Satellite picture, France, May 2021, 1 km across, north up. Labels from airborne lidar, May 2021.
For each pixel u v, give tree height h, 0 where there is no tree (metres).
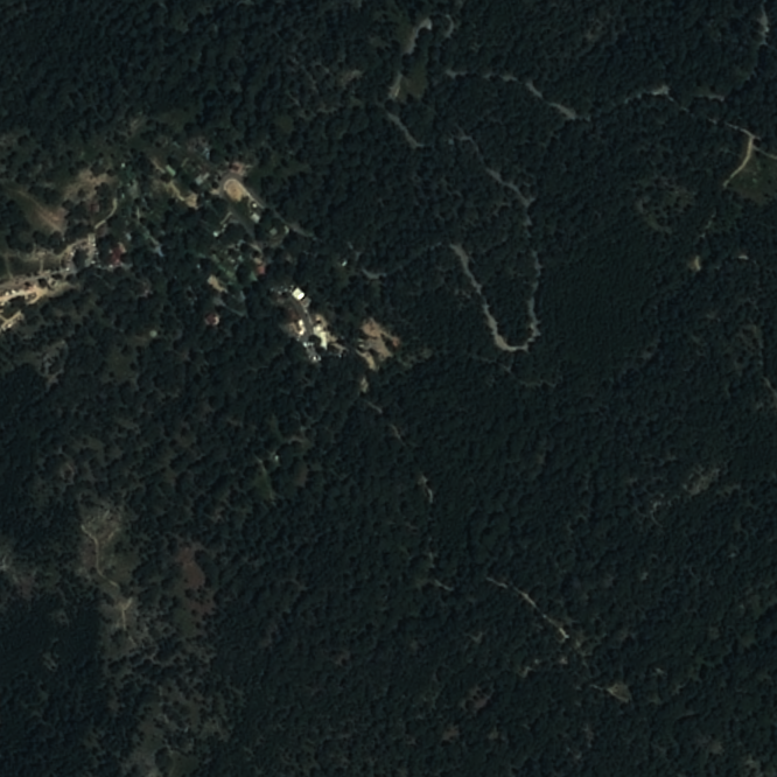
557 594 19
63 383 16
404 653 25
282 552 21
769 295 21
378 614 27
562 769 19
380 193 26
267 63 32
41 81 7
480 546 22
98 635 9
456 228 19
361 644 19
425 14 23
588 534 24
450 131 14
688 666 14
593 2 7
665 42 26
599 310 23
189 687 11
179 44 17
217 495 23
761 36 18
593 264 19
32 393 8
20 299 11
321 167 30
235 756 13
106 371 17
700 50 30
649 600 21
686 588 18
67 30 17
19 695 18
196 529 15
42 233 8
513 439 27
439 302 20
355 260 26
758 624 17
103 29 21
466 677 16
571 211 29
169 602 13
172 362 22
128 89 18
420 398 20
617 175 22
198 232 25
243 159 12
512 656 12
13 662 12
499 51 26
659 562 17
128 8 23
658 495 7
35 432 15
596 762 21
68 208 9
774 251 21
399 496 24
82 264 17
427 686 15
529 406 22
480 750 27
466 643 16
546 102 20
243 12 22
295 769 14
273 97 16
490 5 15
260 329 21
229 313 20
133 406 16
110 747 12
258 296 24
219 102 32
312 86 13
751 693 25
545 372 25
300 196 30
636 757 20
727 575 19
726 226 15
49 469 12
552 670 20
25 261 0
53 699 11
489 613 15
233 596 11
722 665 21
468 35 19
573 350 22
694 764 22
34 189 9
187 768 0
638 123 18
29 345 7
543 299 22
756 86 26
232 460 18
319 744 10
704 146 22
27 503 9
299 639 20
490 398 19
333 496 19
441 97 24
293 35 25
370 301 22
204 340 23
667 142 27
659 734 23
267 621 12
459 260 13
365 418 24
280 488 22
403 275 21
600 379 16
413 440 20
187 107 13
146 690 13
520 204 19
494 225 17
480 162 18
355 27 14
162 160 0
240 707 11
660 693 10
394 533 21
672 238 22
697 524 18
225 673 13
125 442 11
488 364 15
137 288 20
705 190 21
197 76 27
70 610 8
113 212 0
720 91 25
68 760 15
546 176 23
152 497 19
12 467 13
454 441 24
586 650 12
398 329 12
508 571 18
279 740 14
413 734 24
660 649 21
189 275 22
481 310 15
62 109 19
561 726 26
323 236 26
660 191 16
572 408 31
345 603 20
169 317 12
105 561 0
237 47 22
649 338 22
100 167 11
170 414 21
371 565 11
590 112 11
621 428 17
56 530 6
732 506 22
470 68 22
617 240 10
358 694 22
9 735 13
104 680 8
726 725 22
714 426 22
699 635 14
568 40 24
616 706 21
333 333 17
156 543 11
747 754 10
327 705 13
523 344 17
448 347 10
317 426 12
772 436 26
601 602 17
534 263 21
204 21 28
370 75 25
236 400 22
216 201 14
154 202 22
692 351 18
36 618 8
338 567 25
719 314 16
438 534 24
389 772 11
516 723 24
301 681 19
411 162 26
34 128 15
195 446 12
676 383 22
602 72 18
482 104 18
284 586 10
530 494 22
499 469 11
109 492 13
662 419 20
